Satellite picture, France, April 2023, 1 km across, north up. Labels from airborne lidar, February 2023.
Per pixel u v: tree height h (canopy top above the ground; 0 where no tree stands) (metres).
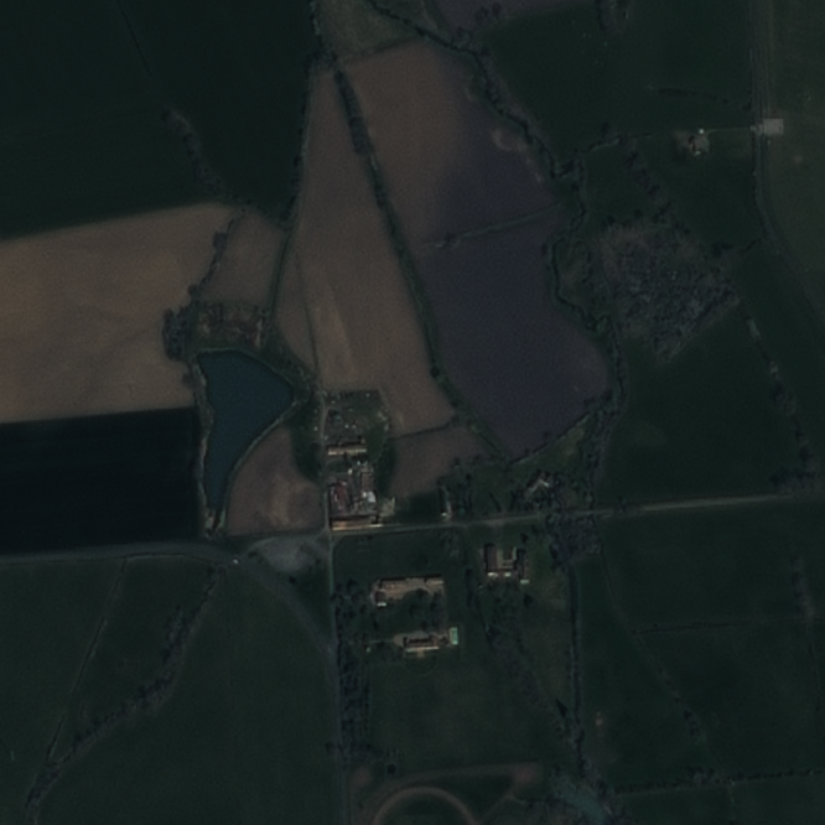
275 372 0
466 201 0
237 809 0
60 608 0
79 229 0
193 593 0
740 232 0
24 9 0
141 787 0
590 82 0
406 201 0
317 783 0
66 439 0
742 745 0
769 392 0
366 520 0
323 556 0
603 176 0
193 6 0
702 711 0
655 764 0
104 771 0
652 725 0
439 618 19
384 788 0
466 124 0
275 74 0
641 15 0
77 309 0
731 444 0
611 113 0
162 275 0
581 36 0
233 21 0
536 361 0
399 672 0
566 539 11
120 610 0
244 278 0
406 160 0
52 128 0
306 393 0
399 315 0
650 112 0
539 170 0
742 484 0
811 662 0
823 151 0
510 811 0
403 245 0
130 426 0
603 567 0
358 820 0
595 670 0
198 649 0
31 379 0
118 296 0
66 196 0
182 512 0
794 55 0
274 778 0
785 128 0
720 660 0
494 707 0
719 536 0
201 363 0
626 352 0
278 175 0
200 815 0
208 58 0
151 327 0
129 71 0
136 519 0
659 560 0
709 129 0
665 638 0
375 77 0
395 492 0
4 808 0
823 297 0
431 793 0
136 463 0
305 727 0
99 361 0
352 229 0
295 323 0
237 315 0
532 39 0
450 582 0
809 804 0
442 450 0
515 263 0
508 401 0
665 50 0
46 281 0
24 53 0
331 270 0
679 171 0
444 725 0
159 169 0
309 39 0
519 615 12
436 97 0
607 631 0
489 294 0
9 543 0
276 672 0
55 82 0
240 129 0
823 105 0
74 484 0
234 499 0
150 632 0
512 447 0
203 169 11
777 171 0
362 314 0
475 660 0
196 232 0
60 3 0
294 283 0
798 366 0
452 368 0
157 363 0
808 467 22
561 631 0
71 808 0
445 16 0
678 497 0
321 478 0
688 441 0
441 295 0
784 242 0
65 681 0
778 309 0
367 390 0
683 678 0
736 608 0
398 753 8
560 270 0
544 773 0
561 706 0
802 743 0
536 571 0
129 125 0
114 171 0
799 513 0
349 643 7
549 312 0
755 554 0
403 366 0
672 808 0
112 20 0
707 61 0
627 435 0
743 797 0
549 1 0
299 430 0
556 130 0
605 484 0
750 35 0
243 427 0
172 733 0
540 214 0
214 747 0
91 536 0
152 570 0
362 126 16
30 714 0
